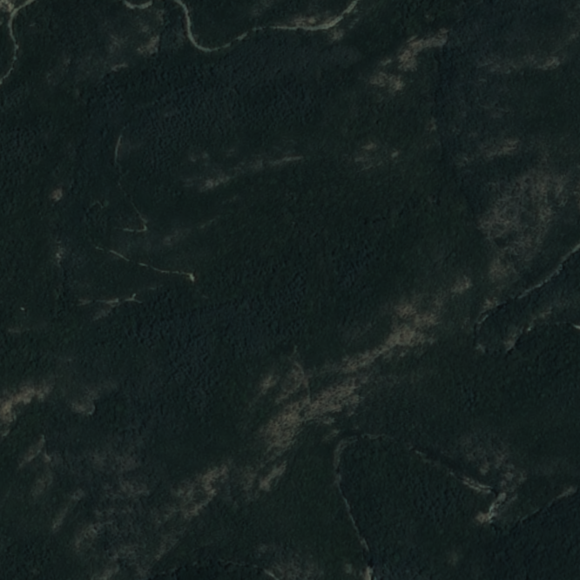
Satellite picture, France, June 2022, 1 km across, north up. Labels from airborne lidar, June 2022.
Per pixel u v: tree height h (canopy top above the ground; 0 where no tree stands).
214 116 13
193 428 6
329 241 13
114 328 9
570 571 9
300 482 9
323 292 8
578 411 7
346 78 10
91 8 8
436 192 12
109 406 13
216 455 6
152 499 8
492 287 7
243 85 20
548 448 6
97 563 8
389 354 6
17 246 10
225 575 18
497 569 9
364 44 8
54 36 11
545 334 10
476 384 15
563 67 7
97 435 7
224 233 7
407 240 9
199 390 15
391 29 8
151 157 12
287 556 6
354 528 8
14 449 13
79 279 8
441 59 15
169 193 7
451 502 17
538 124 8
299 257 8
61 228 7
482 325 6
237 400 8
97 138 7
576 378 6
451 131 6
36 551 13
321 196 14
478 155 6
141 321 14
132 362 6
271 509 5
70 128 11
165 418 7
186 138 10
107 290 5
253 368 6
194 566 11
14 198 15
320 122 8
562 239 10
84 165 8
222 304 8
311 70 16
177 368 16
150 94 5
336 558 7
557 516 10
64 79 7
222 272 15
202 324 19
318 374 6
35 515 6
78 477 7
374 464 8
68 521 7
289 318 12
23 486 6
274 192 8
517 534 12
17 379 7
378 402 14
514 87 6
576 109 6
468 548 10
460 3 10
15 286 12
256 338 20
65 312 12
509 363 18
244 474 6
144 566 5
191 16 7
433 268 6
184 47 6
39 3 13
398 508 7
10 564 9
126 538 6
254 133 6
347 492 11
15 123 9
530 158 6
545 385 7
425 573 8
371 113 12
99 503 9
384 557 7
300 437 11
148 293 7
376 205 14
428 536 7
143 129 12
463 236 14
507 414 5
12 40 8
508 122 7
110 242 6
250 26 8
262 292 13
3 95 9
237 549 10
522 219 8
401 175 10
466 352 17
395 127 6
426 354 12
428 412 7
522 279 7
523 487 8
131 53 6
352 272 15
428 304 6
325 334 7
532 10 6
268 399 7
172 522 8
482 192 9
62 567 6
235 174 7
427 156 10
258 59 26
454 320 9
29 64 8
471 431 7
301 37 6
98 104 6
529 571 12
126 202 8
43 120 14
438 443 7
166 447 7
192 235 6
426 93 12
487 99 7
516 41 6
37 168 7
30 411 10
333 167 10
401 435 9
